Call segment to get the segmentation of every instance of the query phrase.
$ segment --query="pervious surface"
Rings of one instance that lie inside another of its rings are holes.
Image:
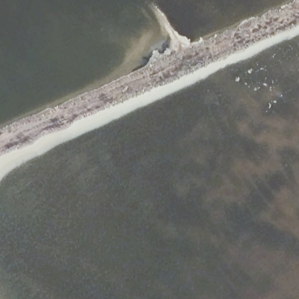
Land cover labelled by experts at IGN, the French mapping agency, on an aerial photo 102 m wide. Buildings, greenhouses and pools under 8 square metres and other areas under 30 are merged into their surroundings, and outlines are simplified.
[[[165,53],[160,54],[154,50],[144,68],[113,79],[111,83],[106,83],[100,88],[79,93],[61,105],[46,107],[33,116],[21,118],[13,121],[11,125],[0,128],[0,181],[23,162],[39,157],[62,142],[95,130],[139,107],[199,82],[229,64],[246,60],[273,44],[299,35],[299,0],[292,0],[288,4],[269,9],[262,16],[251,16],[231,26],[230,29],[217,30],[216,33],[204,35],[194,42],[176,32],[164,12],[161,12],[157,5],[153,5],[152,11],[157,15],[161,27],[164,27],[171,36],[171,46]],[[178,67],[183,56],[193,55],[196,51],[203,56],[203,61],[207,65],[190,74],[181,70],[179,78],[173,82],[159,86],[152,83],[149,76],[151,72],[164,67],[165,70],[157,74],[160,77],[169,69]]]

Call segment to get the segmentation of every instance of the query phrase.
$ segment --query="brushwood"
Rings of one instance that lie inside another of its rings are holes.
[[[151,72],[149,76],[152,83],[159,86],[173,82],[179,78],[181,70],[190,74],[207,65],[203,61],[203,56],[196,51],[193,55],[183,56],[178,67],[169,69],[160,77],[157,74],[165,70],[164,67]]]

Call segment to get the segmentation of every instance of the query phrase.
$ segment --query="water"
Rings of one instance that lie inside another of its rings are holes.
[[[273,44],[246,60],[229,64],[199,82],[139,107],[95,130],[62,142],[39,157],[23,162],[0,181],[0,299],[299,299],[299,35]]]
[[[0,128],[11,125],[13,121],[21,118],[33,116],[46,107],[61,105],[79,93],[100,88],[106,83],[111,83],[113,79],[144,68],[154,50],[160,54],[165,53],[171,46],[171,36],[164,27],[161,27],[157,15],[152,11],[153,5],[157,5],[161,12],[164,12],[176,32],[194,42],[204,35],[216,33],[217,30],[230,29],[231,26],[251,16],[262,16],[269,9],[288,4],[292,0],[0,0]]]

